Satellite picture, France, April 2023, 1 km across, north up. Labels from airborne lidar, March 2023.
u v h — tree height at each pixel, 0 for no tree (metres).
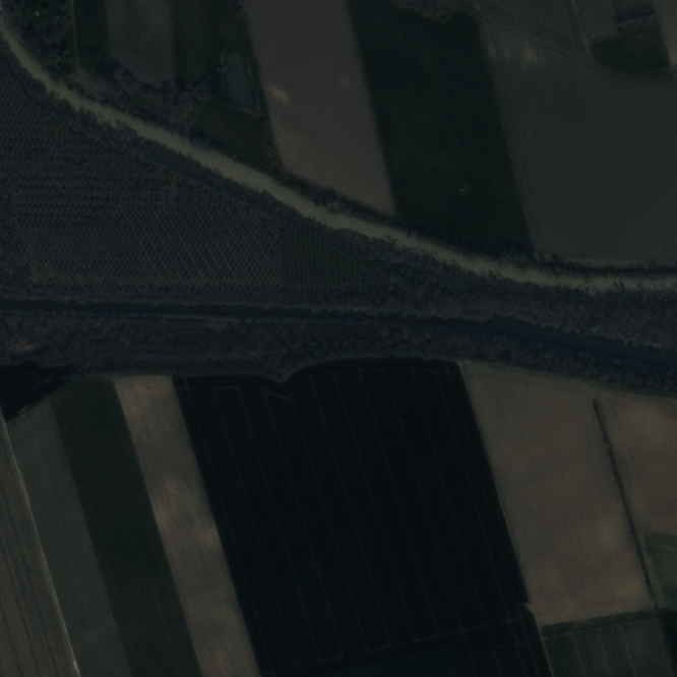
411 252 20
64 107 8
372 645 0
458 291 22
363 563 0
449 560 0
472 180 0
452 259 0
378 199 0
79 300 13
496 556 0
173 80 0
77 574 0
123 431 0
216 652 0
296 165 0
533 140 0
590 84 0
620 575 0
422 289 28
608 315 24
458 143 0
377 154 0
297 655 0
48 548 0
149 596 0
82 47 0
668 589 0
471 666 0
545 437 0
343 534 0
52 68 16
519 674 0
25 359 7
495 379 0
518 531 0
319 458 0
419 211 0
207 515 0
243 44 0
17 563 0
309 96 0
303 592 0
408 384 0
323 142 0
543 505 0
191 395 0
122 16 0
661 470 0
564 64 0
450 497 0
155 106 0
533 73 0
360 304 22
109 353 15
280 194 0
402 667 0
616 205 0
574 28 0
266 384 0
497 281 14
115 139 20
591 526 0
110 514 0
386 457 0
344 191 0
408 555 0
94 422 0
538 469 0
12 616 0
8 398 0
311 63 0
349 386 0
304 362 19
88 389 0
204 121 0
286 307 6
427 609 0
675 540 0
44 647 0
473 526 0
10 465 0
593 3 0
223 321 31
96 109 0
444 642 0
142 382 0
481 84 0
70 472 0
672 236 0
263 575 0
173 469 0
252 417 0
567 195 0
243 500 0
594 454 0
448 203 0
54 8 0
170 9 0
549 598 0
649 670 0
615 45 0
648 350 0
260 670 0
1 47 30
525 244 0
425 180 0
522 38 0
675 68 0
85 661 0
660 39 0
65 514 0
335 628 0
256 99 0
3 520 0
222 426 0
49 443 0
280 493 0
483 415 0
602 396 0
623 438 0
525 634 0
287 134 0
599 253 0
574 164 0
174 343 17
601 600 0
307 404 0
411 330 34
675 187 0
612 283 0
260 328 23
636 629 0
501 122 0
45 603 0
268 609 0
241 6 16
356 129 0
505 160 0
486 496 0
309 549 0
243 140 0
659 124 0
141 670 0
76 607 0
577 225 0
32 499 0
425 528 0
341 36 0
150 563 0
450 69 0
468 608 0
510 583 0
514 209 0
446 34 0
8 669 0
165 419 0
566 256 0
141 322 10
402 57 0
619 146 0
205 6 0
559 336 0
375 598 0
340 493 0
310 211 0
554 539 0
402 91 0
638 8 0
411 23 0
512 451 0
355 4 0
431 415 0
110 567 0
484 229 0
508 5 0
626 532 0
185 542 0
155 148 15
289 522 0
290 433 0
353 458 0
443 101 0
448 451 0
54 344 12
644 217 0
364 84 0
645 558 0
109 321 14
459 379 0
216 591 0
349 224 0
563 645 0
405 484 0
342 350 20
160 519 0
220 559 0
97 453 0
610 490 0
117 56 0
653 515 0
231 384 0
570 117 0
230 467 0
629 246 0
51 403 0
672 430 0
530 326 0
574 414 0
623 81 0
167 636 0
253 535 0
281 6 0
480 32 0
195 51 0
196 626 0
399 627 0
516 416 0
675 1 0
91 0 0
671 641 0
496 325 0
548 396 0
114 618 0
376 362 0
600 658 0
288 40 0
